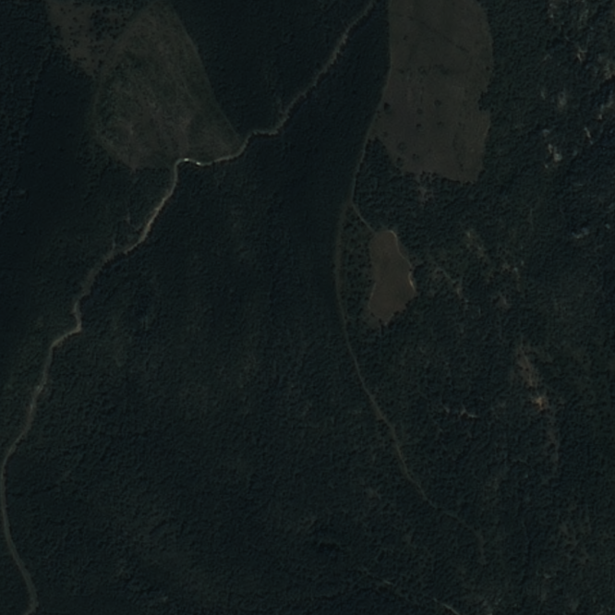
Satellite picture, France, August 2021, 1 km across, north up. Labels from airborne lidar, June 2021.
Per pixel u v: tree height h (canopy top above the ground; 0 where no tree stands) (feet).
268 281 37
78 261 30
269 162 52
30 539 39
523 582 31
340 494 35
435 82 0
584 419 25
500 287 21
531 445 24
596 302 20
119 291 25
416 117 0
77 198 38
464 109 0
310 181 44
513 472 60
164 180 22
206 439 34
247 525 50
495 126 19
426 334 23
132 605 33
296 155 55
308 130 53
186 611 40
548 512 20
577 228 45
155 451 32
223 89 37
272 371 24
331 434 25
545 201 21
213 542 37
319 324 20
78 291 37
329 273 33
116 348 19
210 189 31
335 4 34
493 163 21
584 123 27
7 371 29
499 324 25
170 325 28
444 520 24
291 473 28
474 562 21
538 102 22
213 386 22
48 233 45
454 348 24
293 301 30
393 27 0
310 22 36
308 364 23
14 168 39
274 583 38
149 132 0
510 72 27
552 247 28
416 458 24
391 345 26
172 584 34
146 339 29
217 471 35
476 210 22
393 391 27
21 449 33
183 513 24
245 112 46
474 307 23
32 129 48
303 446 28
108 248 39
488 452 37
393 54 0
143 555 27
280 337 29
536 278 21
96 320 29
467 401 52
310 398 22
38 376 27
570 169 34
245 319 23
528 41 25
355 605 39
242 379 22
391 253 0
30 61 33
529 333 18
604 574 23
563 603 41
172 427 45
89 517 42
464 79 0
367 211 29
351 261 21
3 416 24
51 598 33
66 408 33
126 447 41
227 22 39
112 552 29
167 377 20
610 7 24
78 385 24
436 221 21
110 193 43
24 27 34
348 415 20
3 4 31
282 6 48
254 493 48
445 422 52
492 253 24
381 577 48
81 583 30
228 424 25
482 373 35
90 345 22
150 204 20
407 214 22
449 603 46
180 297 30
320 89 44
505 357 20
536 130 39
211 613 44
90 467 28
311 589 36
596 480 35
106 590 34
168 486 36
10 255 47
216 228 27
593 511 21
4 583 27
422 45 0
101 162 21
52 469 32
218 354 27
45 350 27
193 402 22
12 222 50
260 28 39
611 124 19
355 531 44
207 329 31
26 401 24
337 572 42
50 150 50
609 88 27
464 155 0
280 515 21
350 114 49
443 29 0
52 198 51
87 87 42
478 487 19
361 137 38
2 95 33
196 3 45
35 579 33
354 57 61
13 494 33
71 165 43
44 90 41
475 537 20
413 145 0
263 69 37
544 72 20
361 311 24
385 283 0
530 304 24
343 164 38
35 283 34
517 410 22
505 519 35
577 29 25
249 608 46
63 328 25
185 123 0
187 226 40
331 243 34
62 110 45
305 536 23
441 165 0
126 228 26
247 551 51
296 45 45
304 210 46
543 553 25
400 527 25
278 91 30
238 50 43
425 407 33
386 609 50
